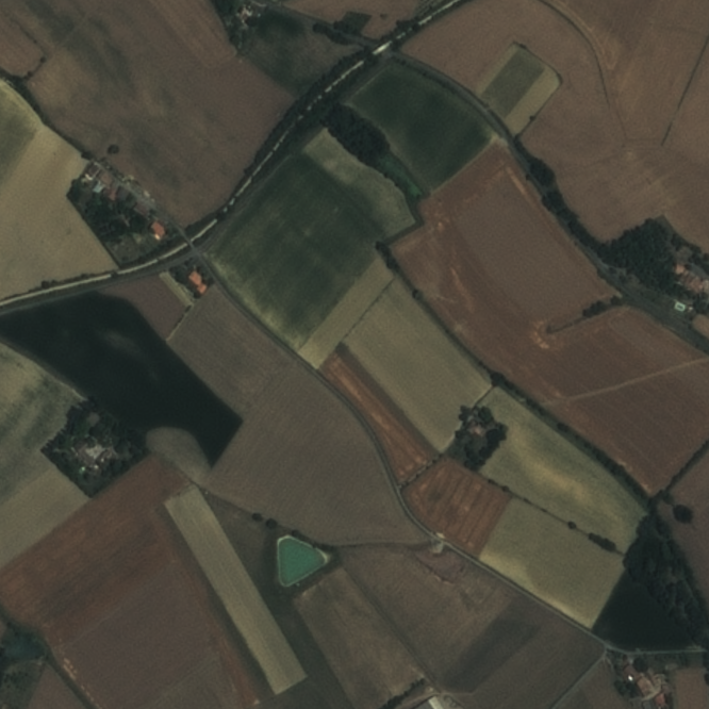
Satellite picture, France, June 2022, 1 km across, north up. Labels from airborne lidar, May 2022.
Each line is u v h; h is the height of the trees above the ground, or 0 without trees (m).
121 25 0
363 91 0
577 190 0
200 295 6
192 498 0
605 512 0
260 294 0
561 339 0
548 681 0
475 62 0
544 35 0
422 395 0
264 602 0
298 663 0
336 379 0
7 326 0
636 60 0
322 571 0
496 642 0
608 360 0
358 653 0
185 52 0
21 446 0
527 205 0
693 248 13
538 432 0
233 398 0
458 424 0
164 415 0
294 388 0
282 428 0
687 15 0
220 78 0
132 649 0
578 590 0
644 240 17
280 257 0
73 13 0
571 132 0
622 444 0
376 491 0
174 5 0
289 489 0
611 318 0
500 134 0
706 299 11
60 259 0
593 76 0
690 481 0
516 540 0
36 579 0
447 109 0
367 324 0
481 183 0
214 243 0
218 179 0
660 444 0
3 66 0
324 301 0
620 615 0
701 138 0
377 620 0
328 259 0
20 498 0
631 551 14
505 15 0
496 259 0
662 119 0
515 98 0
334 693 0
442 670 0
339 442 0
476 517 0
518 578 0
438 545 0
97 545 0
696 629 15
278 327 0
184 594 0
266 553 0
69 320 0
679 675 0
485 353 0
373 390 0
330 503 0
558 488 0
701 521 0
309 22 0
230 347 0
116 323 0
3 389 0
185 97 0
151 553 0
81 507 0
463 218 0
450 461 0
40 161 0
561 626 0
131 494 0
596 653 0
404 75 0
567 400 0
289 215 0
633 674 0
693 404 0
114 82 0
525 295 0
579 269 0
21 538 0
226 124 0
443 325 0
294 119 11
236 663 0
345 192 0
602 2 0
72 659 0
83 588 0
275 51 0
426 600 0
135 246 0
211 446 0
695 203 0
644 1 0
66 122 0
